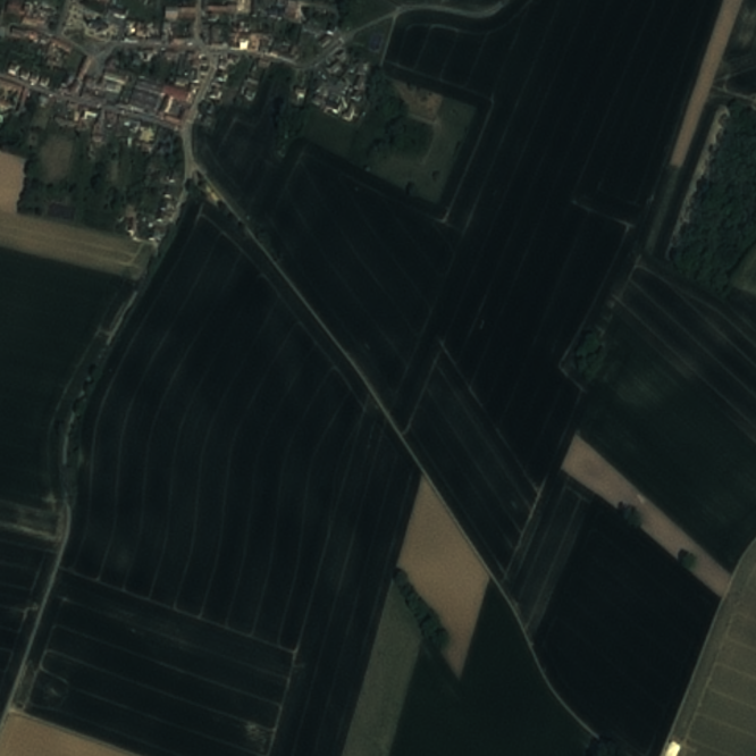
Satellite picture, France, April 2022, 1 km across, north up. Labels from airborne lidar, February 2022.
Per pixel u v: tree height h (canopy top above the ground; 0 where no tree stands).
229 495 0
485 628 0
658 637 0
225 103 7
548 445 0
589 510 0
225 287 0
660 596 0
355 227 0
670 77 0
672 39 0
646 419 0
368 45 0
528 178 0
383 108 20
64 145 0
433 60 0
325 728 0
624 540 0
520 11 0
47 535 0
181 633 0
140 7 0
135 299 0
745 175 29
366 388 0
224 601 0
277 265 12
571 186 0
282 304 0
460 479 0
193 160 0
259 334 0
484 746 0
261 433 0
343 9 20
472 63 0
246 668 0
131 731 0
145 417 0
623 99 0
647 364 0
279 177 0
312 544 0
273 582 0
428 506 0
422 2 0
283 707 0
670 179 0
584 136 0
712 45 0
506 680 0
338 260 0
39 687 0
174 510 0
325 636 0
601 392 0
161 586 0
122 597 0
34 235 0
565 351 0
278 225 0
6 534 0
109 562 0
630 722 0
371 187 0
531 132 0
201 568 0
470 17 0
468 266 0
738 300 0
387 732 0
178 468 0
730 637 0
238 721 0
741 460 0
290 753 0
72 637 0
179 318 0
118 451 0
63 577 0
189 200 0
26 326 0
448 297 0
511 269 0
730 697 0
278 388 0
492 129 0
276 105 0
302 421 0
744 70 0
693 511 0
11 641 0
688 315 0
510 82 0
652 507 0
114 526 0
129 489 0
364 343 0
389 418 0
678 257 18
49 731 0
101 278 0
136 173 0
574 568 0
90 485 0
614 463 0
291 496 0
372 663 0
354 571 0
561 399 0
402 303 0
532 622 0
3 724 0
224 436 0
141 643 0
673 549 0
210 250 0
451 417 0
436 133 0
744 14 0
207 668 0
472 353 0
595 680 0
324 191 0
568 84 0
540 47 0
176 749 0
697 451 0
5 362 0
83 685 0
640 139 0
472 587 0
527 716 0
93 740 0
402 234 0
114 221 0
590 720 0
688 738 0
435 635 12
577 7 0
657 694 0
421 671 0
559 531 0
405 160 0
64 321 0
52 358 0
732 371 0
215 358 0
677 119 0
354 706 0
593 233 0
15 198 0
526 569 0
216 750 0
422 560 0
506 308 0
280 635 0
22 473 0
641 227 0
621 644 0
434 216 0
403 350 0
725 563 0
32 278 0
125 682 0
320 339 0
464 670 0
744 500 0
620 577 0
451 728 0
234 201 0
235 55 0
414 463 0
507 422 0
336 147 0
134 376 0
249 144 0
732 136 21
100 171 9
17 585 0
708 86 0
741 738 0
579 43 0
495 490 0
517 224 0
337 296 0
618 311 0
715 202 31
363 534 0
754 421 0
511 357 0
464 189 0
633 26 0
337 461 0
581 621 0
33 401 0
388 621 0
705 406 0
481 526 0
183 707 0
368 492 0
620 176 0
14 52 0
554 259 0
